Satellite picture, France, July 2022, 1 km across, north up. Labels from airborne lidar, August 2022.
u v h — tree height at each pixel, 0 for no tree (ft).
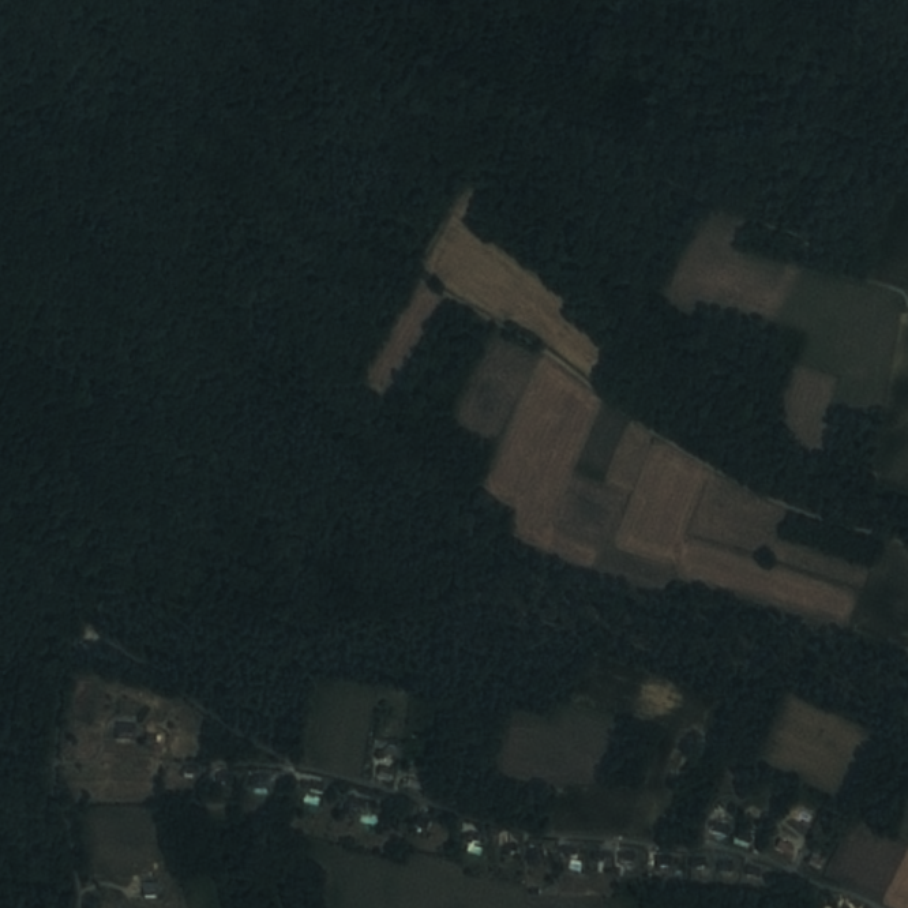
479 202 57
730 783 0
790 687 70
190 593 54
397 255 51
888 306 0
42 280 87
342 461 88
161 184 67
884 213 74
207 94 78
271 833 88
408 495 88
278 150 62
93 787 0
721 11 83
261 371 21
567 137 68
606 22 107
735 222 0
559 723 0
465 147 66
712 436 81
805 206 23
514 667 59
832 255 67
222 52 86
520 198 55
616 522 0
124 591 65
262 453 69
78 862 54
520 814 77
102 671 70
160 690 43
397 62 79
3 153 97
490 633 56
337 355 81
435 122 71
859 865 0
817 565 0
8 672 77
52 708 48
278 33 85
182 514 58
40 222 94
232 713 65
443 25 77
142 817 0
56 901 51
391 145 81
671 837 58
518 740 0
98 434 74
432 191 75
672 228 77
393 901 0
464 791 82
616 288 79
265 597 52
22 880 44
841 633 86
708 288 0
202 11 89
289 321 92
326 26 80
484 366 0
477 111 76
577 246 81
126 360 84
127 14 83
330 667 63
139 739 29
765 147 99
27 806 79
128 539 62
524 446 0
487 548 94
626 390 71
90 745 0
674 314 51
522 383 0
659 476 0
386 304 66
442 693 75
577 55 69
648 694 0
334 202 71
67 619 76
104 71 77
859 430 70
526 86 47
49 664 71
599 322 79
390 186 73
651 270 97
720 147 84
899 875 0
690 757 77
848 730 0
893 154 78
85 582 57
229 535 83
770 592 0
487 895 0
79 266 78
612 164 82
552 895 0
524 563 107
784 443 87
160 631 88
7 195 97
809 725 0
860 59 58
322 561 81
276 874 88
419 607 73
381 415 77
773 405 69
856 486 69
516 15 54
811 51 60
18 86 104
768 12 88
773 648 91
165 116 68
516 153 63
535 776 0
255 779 0
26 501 58
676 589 43
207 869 66
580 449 0
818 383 0
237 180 75
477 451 59
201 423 79
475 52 62
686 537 0
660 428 73
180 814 64
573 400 0
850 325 0
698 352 83
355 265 84
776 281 0
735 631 109
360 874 0
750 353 91
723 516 0
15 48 108
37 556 59
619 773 64
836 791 0
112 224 79
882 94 88
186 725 0
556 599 94
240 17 81
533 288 0
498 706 76
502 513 85
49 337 86
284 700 44
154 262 78
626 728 60
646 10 90
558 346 0
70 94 89
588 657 94
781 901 75
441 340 76
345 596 98
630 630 91
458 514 89
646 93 75
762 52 73
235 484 70
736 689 53
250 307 57
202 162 72
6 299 77
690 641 91
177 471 57
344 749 0
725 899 66
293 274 84
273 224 68
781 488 43
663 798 0
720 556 0
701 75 78
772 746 0
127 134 59
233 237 68
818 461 71
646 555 0
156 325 75
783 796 69
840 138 77
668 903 72
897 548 0
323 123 73
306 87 48
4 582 77
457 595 70
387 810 46
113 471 81
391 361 0
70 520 81
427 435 33
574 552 0
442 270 0
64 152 80
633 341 69
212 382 59
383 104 76
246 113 80
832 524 36
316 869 71
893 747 70
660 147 53
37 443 80
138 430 69
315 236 76
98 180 83
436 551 70
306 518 71
